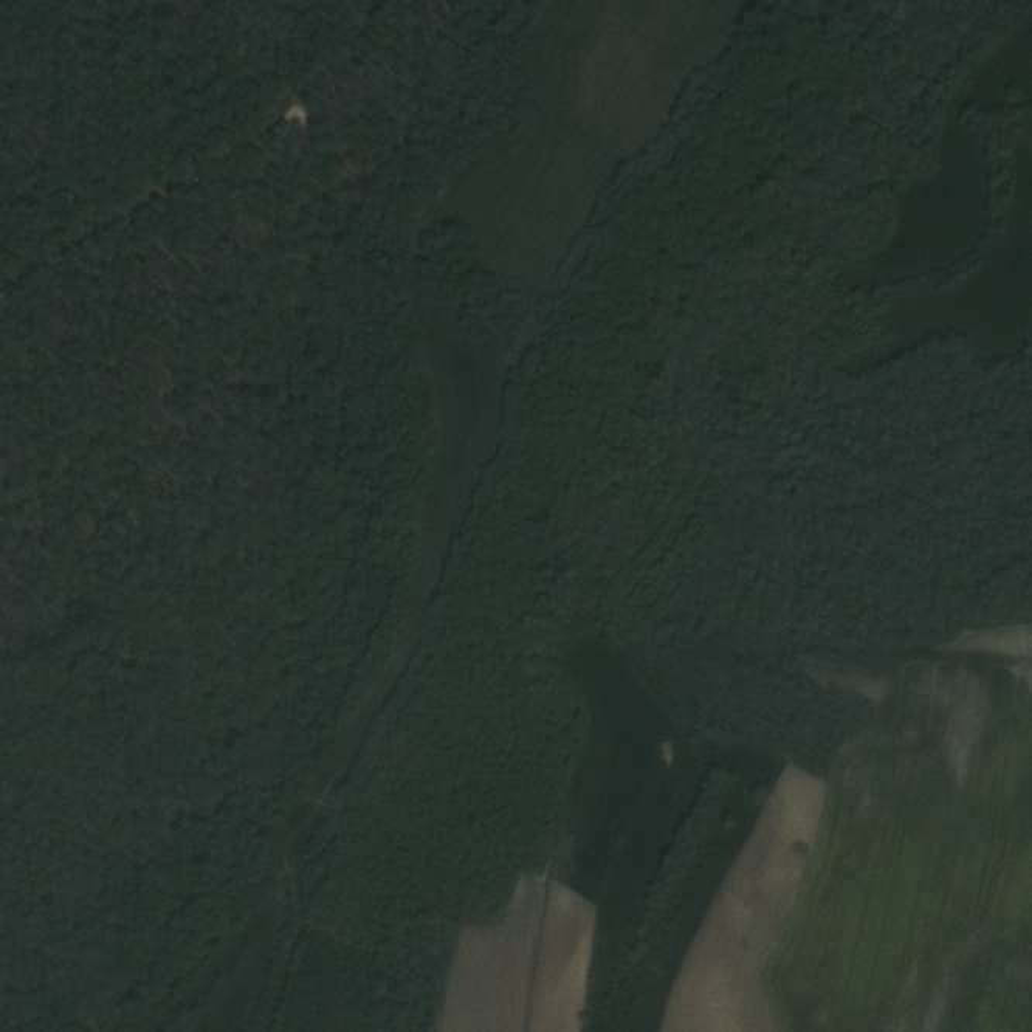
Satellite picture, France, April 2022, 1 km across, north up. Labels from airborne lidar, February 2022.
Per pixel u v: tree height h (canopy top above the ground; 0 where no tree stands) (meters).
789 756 21
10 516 29
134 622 30
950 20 22
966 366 20
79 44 26
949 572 29
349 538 23
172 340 30
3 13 27
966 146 0
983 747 0
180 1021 14
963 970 0
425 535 0
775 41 29
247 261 30
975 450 32
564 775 15
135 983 28
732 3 0
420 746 23
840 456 21
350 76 26
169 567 26
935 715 0
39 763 30
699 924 0
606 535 24
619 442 21
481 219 0
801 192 27
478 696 20
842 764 0
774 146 25
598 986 0
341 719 13
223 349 29
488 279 14
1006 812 0
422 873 21
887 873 0
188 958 29
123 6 28
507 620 24
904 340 0
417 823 21
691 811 6
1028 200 0
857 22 30
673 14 0
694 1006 0
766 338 30
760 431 26
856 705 21
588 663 0
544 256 0
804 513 26
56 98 29
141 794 31
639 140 0
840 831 0
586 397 24
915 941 0
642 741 0
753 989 0
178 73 29
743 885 0
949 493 28
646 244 26
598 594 17
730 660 6
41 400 24
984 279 0
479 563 18
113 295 26
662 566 16
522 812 21
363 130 24
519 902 0
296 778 12
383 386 23
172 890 31
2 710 28
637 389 27
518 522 24
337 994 7
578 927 0
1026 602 25
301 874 14
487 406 0
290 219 28
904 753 0
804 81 26
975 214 0
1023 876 0
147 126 26
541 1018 0
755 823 0
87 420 24
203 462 27
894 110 27
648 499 14
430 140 24
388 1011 29
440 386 0
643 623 23
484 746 21
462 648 22
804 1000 0
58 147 28
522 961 0
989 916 0
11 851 31
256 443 28
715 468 22
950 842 0
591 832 0
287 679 22
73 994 30
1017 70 0
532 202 0
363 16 25
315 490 31
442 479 0
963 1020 0
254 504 26
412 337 6
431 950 30
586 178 0
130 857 30
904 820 0
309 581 24
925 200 0
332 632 18
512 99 19
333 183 28
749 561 21
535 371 18
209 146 26
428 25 28
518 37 18
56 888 33
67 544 24
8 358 26
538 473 22
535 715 19
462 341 0
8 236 26
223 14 29
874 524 29
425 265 17
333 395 30
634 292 25
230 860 26
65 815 28
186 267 28
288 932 10
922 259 0
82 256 26
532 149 0
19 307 29
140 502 26
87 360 27
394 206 20
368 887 23
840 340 13
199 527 28
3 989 31
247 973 0
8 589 28
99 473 27
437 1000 27
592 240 17
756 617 24
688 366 31
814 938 0
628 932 0
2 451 28
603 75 0
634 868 0
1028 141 0
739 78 19
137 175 28
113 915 29
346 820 15
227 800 27
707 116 21
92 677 29
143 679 30
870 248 23
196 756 30
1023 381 26
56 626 26
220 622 33
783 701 18
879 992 0
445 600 16
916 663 0
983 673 0
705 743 16
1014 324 0
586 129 0
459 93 24
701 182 23
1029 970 0
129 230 24
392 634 13
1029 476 27
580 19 0
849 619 19
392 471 21
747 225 24
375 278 22
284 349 20
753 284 26
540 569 21
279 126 0
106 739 30
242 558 31
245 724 24
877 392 23
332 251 32
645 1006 0
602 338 31
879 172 23
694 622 13
